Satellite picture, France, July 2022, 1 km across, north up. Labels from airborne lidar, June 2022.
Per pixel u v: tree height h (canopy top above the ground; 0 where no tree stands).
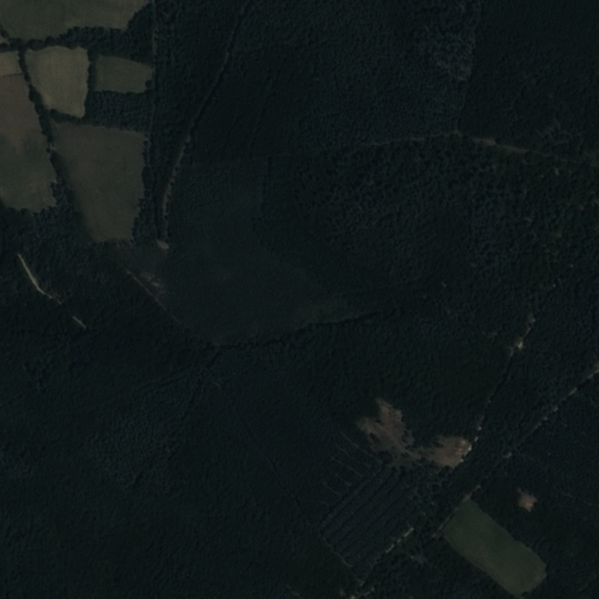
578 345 17
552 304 15
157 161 17
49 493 13
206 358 24
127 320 16
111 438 19
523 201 14
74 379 23
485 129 12
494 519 11
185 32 17
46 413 21
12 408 18
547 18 18
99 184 0
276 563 12
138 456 20
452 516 7
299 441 14
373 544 14
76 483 15
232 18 18
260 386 15
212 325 6
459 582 16
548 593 12
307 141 21
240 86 18
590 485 16
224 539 13
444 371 16
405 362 17
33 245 18
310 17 17
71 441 22
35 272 8
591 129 13
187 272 7
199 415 16
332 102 20
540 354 17
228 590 11
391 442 0
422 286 17
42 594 13
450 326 16
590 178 14
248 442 16
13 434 15
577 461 14
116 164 0
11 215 15
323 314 6
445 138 11
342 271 16
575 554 11
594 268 18
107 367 25
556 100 7
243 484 14
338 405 21
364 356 21
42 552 22
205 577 18
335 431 18
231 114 17
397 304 9
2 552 16
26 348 17
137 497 16
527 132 6
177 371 22
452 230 18
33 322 15
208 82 16
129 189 0
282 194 13
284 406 15
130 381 18
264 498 16
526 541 23
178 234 7
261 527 16
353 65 19
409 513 18
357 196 11
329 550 11
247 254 5
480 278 17
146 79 0
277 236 15
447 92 18
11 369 22
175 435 19
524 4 17
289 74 16
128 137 0
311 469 16
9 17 0
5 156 0
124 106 20
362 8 14
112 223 0
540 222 14
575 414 15
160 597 21
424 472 18
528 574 0
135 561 18
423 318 18
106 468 19
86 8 0
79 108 0
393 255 21
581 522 16
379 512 17
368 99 17
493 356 13
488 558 0
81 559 18
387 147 6
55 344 18
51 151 11
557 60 9
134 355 24
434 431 12
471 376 12
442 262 19
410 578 15
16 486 16
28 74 6
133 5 0
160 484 15
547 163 14
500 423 11
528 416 14
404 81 23
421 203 18
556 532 12
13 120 0
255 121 17
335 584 12
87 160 0
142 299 15
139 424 25
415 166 7
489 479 8
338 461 16
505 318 16
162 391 26
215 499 14
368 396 18
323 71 18
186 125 19
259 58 18
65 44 10
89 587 20
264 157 12
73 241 13
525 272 20
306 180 8
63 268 14
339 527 16
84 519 18
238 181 6
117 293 11
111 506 14
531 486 18
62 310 19
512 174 7
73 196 12
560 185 15
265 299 6
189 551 18
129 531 14
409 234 15
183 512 14
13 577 17
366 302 14
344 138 17
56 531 16
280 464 16
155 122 16
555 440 17
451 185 14
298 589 10
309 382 16
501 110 6
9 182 0
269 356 19
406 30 18
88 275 9
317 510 13
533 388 15
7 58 0
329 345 22
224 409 15
